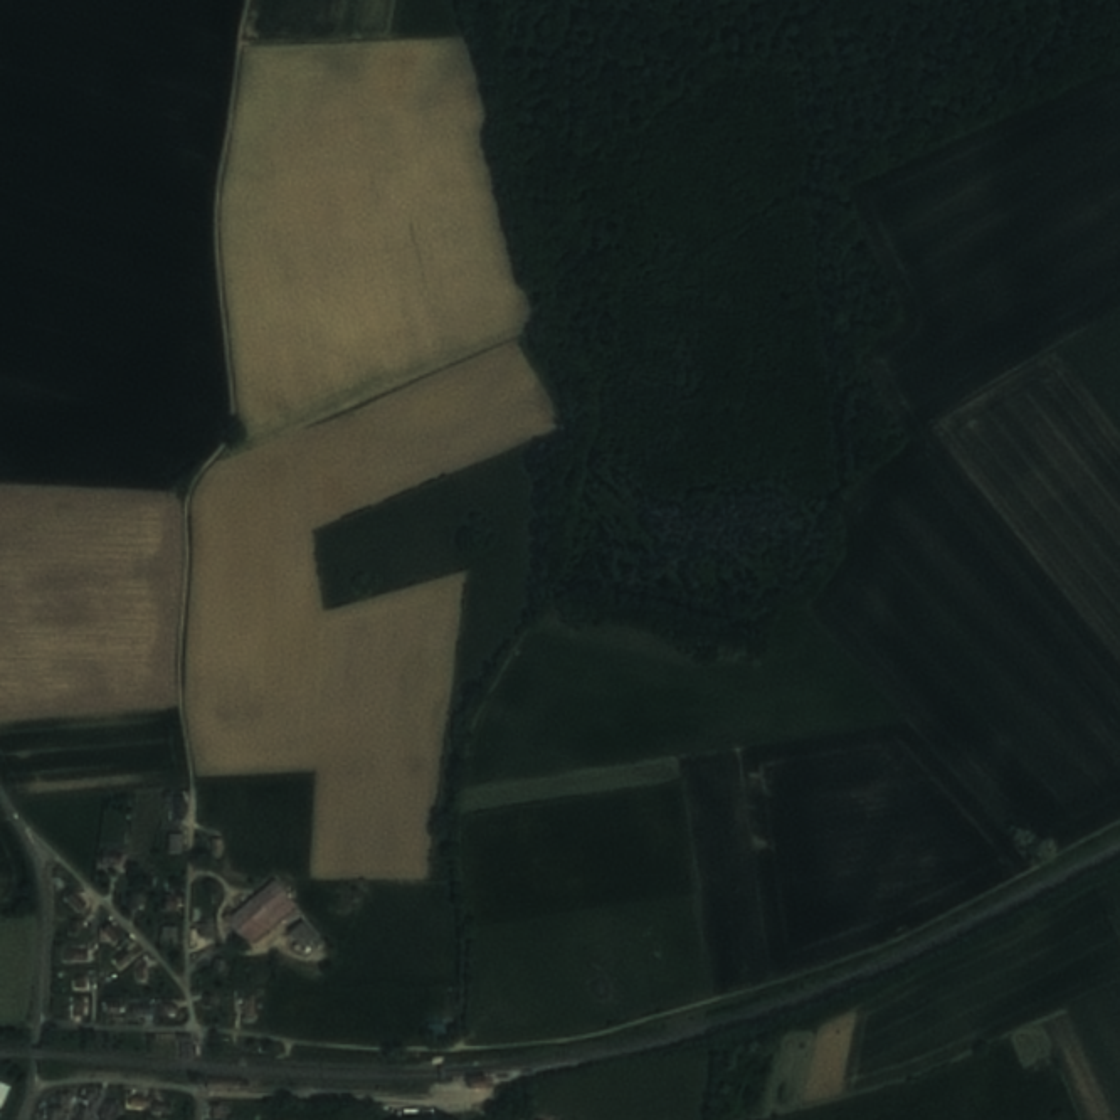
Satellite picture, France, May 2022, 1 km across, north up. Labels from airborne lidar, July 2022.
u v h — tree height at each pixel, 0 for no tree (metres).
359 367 0
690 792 0
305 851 0
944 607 0
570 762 0
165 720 0
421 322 0
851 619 0
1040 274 0
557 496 26
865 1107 0
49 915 0
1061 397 0
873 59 22
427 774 0
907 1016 0
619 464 6
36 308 0
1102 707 0
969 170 0
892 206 0
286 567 0
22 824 0
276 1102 12
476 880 0
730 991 0
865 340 10
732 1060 18
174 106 0
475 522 10
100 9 0
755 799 0
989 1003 0
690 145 8
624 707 0
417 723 0
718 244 8
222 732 0
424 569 0
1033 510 0
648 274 10
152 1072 0
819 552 23
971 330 0
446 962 0
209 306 0
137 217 0
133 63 0
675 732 0
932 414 0
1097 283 0
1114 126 0
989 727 0
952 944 7
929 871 0
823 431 6
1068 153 0
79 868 0
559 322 17
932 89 26
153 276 0
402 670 0
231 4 0
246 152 0
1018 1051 0
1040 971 0
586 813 0
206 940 0
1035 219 0
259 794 0
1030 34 26
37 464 0
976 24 24
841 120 26
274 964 9
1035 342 0
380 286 0
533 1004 0
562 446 21
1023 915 6
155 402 0
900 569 0
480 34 25
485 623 0
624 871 0
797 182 6
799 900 0
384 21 0
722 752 0
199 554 0
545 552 23
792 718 0
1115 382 0
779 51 23
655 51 27
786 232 6
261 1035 0
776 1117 8
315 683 0
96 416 0
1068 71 24
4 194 0
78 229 0
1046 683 0
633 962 0
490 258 0
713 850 0
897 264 0
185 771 0
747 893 0
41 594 0
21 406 0
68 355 0
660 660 0
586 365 20
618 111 24
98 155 0
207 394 0
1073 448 0
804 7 16
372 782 0
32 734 0
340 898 0
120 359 0
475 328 0
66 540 0
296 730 0
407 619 0
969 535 0
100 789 0
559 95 22
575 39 10
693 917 0
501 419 0
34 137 0
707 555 22
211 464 0
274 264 0
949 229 0
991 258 0
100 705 0
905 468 0
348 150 0
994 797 0
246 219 0
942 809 0
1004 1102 0
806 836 0
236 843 0
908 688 0
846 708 0
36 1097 0
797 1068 0
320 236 0
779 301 8
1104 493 0
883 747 0
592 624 11
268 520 0
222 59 0
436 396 0
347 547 0
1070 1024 0
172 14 0
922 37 24
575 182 8
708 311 6
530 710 0
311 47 0
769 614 13
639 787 0
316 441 0
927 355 0
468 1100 0
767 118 7
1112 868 9
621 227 9
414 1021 0
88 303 0
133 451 0
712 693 0
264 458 0
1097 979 0
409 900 0
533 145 21
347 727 0
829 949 0
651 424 6
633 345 6
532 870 0
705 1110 13
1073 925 0
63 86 0
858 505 0
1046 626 0
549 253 21
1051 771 0
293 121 0
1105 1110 0
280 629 0
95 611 0
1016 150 0
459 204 0
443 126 0
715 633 25
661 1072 0
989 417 0
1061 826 0
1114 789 0
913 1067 0
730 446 6
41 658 0
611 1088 0
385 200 0
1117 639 0
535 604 19
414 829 0
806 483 6
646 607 27
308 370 0
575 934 0
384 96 0
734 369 6
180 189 0
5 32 0
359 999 0
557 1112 0
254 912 0
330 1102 17
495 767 0
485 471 0
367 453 0
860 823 0
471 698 15
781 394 6
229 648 0
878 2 25
